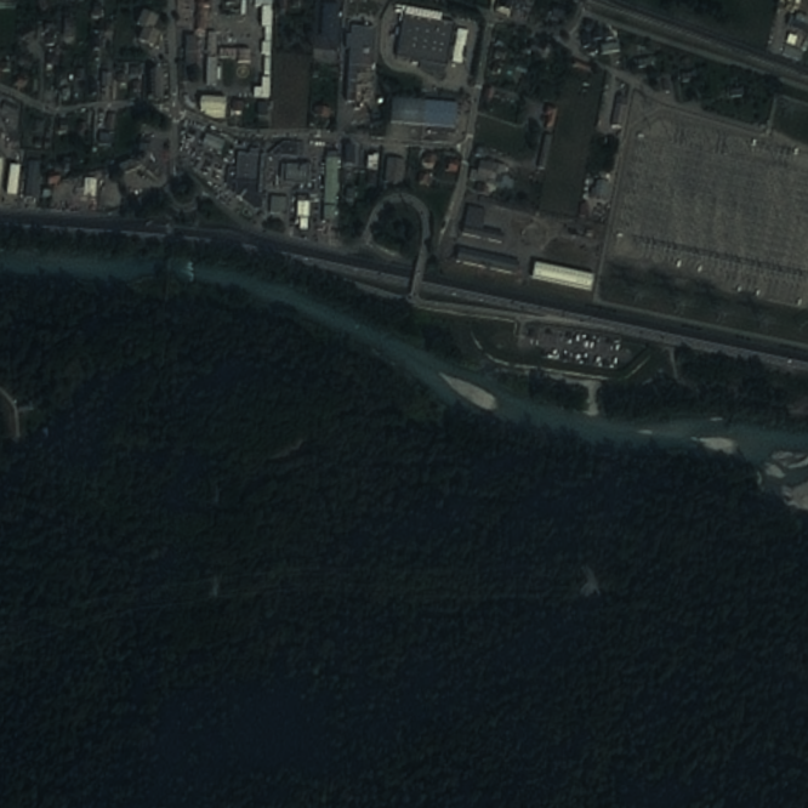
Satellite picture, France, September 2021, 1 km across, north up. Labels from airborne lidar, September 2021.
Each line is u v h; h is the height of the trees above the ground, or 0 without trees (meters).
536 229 0
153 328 19
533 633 16
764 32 0
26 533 21
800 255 0
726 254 0
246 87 0
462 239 0
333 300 20
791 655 24
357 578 27
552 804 34
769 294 0
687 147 0
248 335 35
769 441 0
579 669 23
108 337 18
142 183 0
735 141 0
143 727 23
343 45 0
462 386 0
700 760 23
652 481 26
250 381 32
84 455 19
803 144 0
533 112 0
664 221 0
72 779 23
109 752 20
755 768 15
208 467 10
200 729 27
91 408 18
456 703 23
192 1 0
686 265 0
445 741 26
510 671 21
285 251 0
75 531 18
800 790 24
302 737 23
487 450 24
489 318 0
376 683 21
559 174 0
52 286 18
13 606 13
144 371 9
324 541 25
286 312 15
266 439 20
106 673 17
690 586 14
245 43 0
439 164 8
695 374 11
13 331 28
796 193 0
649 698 21
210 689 23
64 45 6
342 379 20
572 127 0
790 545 22
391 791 19
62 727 20
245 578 7
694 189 0
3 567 22
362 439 22
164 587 23
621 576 26
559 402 28
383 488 27
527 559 14
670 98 0
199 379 26
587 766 29
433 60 0
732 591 18
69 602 26
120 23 0
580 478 35
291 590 20
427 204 0
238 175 0
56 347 25
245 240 0
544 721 23
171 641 29
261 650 19
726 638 25
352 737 30
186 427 17
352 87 0
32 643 14
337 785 29
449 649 18
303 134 0
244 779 27
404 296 0
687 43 0
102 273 0
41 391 14
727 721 24
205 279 0
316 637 29
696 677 21
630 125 0
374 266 0
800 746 12
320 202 0
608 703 20
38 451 12
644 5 0
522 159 0
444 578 18
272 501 28
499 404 0
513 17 0
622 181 0
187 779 26
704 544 23
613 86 0
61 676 27
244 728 25
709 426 0
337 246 0
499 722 21
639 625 15
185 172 0
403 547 29
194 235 0
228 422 17
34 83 0
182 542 19
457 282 0
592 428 0
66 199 0
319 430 15
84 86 6
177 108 0
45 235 14
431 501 16
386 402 20
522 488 28
